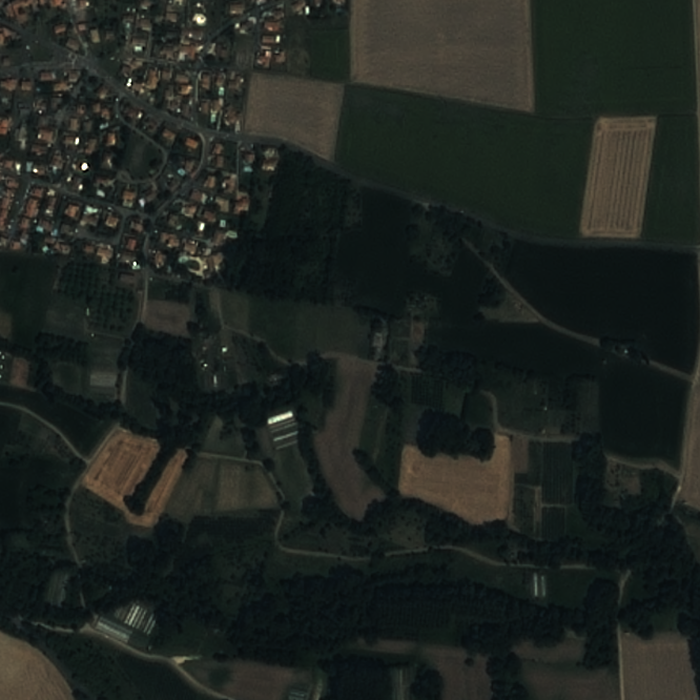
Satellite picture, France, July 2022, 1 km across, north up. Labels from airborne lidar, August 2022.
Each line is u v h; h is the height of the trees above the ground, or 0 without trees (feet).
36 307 0
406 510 30
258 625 56
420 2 0
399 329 0
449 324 0
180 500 0
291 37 0
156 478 23
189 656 0
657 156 0
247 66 0
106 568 21
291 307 0
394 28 0
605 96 0
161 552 26
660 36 0
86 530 0
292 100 0
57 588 0
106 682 25
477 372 63
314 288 22
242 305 0
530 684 0
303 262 30
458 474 0
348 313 0
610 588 64
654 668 0
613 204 0
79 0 0
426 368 49
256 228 27
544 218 0
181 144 21
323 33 0
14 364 0
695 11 0
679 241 0
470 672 0
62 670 0
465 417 36
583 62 0
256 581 65
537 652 0
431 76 0
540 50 0
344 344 0
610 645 22
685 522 0
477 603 112
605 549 19
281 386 25
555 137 0
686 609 35
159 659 0
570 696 0
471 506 0
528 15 0
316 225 18
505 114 0
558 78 0
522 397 0
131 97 0
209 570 68
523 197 0
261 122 0
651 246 0
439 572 53
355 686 128
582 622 30
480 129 0
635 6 0
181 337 26
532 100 0
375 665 100
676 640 0
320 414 0
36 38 0
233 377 0
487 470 0
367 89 0
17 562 21
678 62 0
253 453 41
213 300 0
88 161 21
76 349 28
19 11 20
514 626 67
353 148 0
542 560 37
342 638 70
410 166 0
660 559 78
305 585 74
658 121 0
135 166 0
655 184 0
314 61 0
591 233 0
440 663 0
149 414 0
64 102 37
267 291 51
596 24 0
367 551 35
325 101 0
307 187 26
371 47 0
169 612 98
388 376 72
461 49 0
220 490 0
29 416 0
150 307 0
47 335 28
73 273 22
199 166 0
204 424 24
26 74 0
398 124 0
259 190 26
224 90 0
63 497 46
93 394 0
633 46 0
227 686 0
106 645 0
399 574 38
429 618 112
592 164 0
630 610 48
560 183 0
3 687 0
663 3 0
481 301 29
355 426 0
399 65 0
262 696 0
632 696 0
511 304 0
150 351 65
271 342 0
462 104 0
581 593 0
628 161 0
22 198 0
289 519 0
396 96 0
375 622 77
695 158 0
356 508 0
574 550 41
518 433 0
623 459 0
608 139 0
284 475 0
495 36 0
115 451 0
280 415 0
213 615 104
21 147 0
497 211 0
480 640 71
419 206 22
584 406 0
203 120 0
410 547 0
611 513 51
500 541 45
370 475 56
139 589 52
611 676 0
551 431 0
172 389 45
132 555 63
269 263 35
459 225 35
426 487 0
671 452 0
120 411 34
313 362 79
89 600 20
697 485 0
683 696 0
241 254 89
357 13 0
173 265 23
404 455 0
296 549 0
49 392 29
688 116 0
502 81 0
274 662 41
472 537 62
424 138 0
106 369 0
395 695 0
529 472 0
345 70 0
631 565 72
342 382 0
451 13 0
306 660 0
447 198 0
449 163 0
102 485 0
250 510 0
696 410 0
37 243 19
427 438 84
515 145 0
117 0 29
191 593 61
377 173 0
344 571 81
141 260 52
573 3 0
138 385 0
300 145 0
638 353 82
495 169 0
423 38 0
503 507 0
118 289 26
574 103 0
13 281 0
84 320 0
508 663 60
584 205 0
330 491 41
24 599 28
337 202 21
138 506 63
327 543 0
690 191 0
